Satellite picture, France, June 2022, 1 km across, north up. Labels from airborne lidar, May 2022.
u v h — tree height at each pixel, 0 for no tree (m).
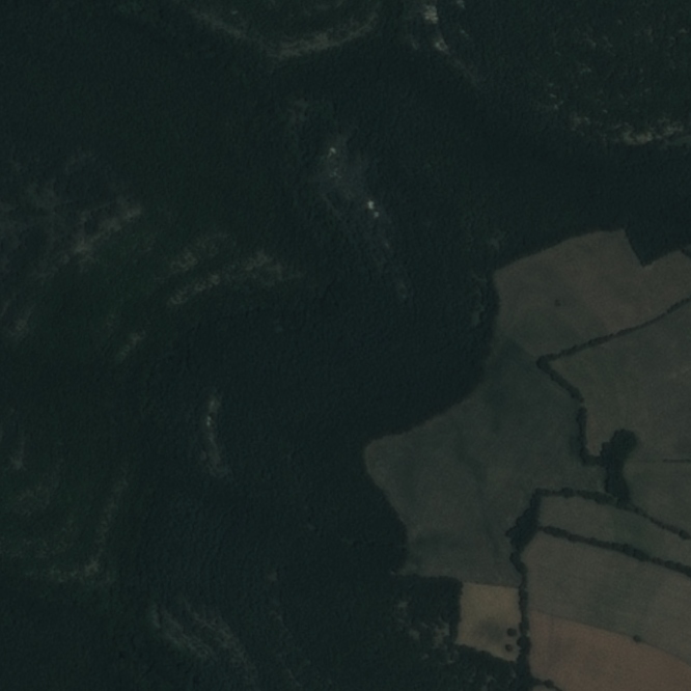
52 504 8
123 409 16
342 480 14
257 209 10
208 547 8
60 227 7
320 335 14
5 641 12
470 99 14
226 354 15
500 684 7
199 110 13
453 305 6
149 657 21
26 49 12
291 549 11
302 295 14
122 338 10
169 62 14
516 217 9
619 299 0
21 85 13
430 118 10
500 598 0
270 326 16
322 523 10
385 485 0
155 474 15
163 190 10
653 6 10
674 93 9
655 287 0
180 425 12
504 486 0
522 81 8
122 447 9
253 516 17
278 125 10
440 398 19
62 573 8
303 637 12
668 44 11
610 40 8
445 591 10
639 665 0
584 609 0
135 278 10
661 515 0
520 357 0
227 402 10
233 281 7
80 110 10
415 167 8
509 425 0
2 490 9
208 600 8
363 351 15
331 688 8
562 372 0
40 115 10
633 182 12
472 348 10
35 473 10
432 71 12
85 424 8
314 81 18
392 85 12
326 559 16
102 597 12
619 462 18
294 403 12
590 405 0
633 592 0
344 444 15
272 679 14
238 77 13
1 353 9
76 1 16
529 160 12
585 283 0
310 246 18
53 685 10
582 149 18
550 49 7
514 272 0
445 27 9
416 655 7
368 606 10
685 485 0
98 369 15
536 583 0
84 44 13
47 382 20
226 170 14
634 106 8
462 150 12
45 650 15
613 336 7
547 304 0
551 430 0
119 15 18
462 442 0
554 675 0
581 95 7
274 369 14
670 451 0
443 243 8
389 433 11
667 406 0
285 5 7
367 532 17
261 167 14
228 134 6
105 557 8
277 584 7
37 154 7
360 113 13
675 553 0
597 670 0
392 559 16
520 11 9
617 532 0
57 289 8
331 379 18
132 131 12
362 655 14
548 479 0
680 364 0
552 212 11
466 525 0
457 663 8
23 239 11
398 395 15
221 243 7
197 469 8
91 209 6
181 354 17
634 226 14
